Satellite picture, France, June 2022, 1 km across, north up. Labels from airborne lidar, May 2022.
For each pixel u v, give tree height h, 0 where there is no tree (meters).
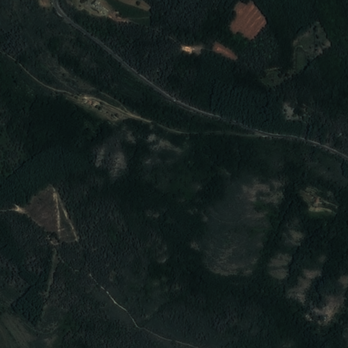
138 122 14
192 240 13
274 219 9
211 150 20
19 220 17
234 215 0
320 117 8
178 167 6
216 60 16
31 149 13
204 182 8
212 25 13
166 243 13
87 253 7
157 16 11
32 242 15
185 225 18
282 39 16
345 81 13
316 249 24
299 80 19
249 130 10
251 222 0
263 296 13
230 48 10
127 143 11
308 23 13
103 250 18
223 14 13
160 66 15
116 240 18
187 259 27
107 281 12
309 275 0
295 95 22
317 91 17
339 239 21
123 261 11
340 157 10
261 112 36
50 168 24
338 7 21
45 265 16
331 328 16
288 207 19
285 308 23
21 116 20
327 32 16
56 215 0
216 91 34
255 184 0
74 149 27
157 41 9
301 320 8
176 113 8
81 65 8
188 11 18
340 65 18
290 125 36
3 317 0
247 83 18
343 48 14
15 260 23
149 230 12
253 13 0
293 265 21
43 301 11
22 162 16
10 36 18
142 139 15
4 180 17
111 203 16
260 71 19
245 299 9
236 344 11
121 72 7
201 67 16
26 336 0
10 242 13
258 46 16
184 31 21
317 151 20
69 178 17
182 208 13
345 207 15
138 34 19
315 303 9
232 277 13
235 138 14
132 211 17
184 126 9
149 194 18
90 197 17
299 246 6
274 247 19
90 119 8
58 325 8
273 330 15
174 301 13
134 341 14
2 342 0
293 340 9
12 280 12
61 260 11
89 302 14
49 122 18
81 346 17
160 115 11
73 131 23
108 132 13
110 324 10
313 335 20
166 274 13
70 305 15
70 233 0
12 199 20
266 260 18
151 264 6
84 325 17
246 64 7
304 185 12
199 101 12
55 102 16
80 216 12
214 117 9
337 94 10
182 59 11
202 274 23
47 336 0
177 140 12
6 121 14
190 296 14
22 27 8
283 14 14
